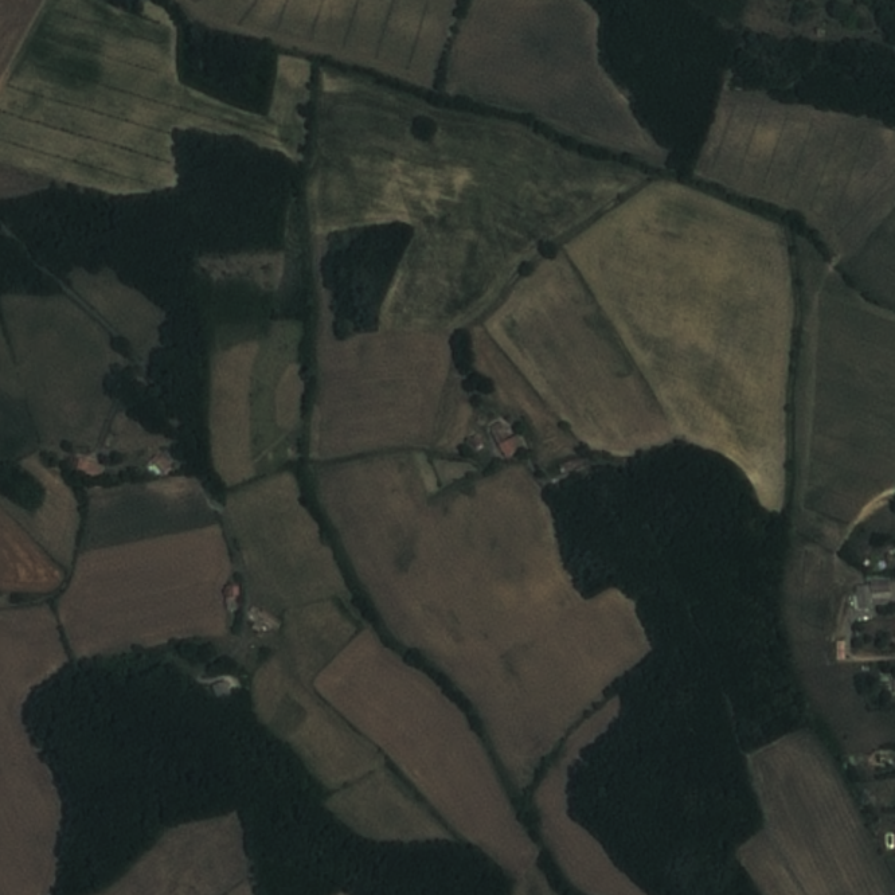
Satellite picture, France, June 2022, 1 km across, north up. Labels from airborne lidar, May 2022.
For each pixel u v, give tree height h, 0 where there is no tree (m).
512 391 0
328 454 0
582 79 0
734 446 0
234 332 0
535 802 0
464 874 19
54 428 0
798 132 0
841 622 0
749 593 16
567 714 0
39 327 0
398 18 0
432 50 0
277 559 0
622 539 15
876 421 0
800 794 0
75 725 21
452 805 0
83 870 9
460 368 15
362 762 0
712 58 14
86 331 0
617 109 0
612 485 18
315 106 12
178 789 21
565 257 0
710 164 0
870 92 16
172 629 0
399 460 0
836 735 0
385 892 23
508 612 0
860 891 0
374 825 0
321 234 0
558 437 0
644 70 14
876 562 0
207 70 18
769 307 0
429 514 0
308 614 0
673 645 15
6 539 0
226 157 20
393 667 0
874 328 0
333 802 0
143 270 17
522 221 0
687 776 19
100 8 0
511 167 0
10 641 0
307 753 0
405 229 17
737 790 18
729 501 18
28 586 0
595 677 0
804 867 0
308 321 7
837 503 0
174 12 14
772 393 0
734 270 0
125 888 0
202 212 17
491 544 0
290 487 0
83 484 13
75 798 25
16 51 0
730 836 15
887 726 0
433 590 0
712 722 15
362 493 0
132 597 0
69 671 17
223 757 21
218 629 0
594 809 11
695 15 9
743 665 17
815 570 0
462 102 15
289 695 0
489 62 0
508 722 0
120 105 0
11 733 0
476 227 0
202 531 0
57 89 0
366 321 20
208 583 0
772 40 16
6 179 0
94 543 0
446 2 0
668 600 17
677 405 0
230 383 0
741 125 0
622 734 24
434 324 0
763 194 0
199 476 10
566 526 16
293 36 0
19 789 0
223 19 0
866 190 0
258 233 15
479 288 0
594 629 0
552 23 0
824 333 0
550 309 0
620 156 9
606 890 0
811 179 0
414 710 0
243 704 17
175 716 19
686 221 0
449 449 0
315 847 20
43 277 13
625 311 0
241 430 0
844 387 0
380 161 0
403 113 0
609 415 0
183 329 18
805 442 0
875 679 12
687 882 20
